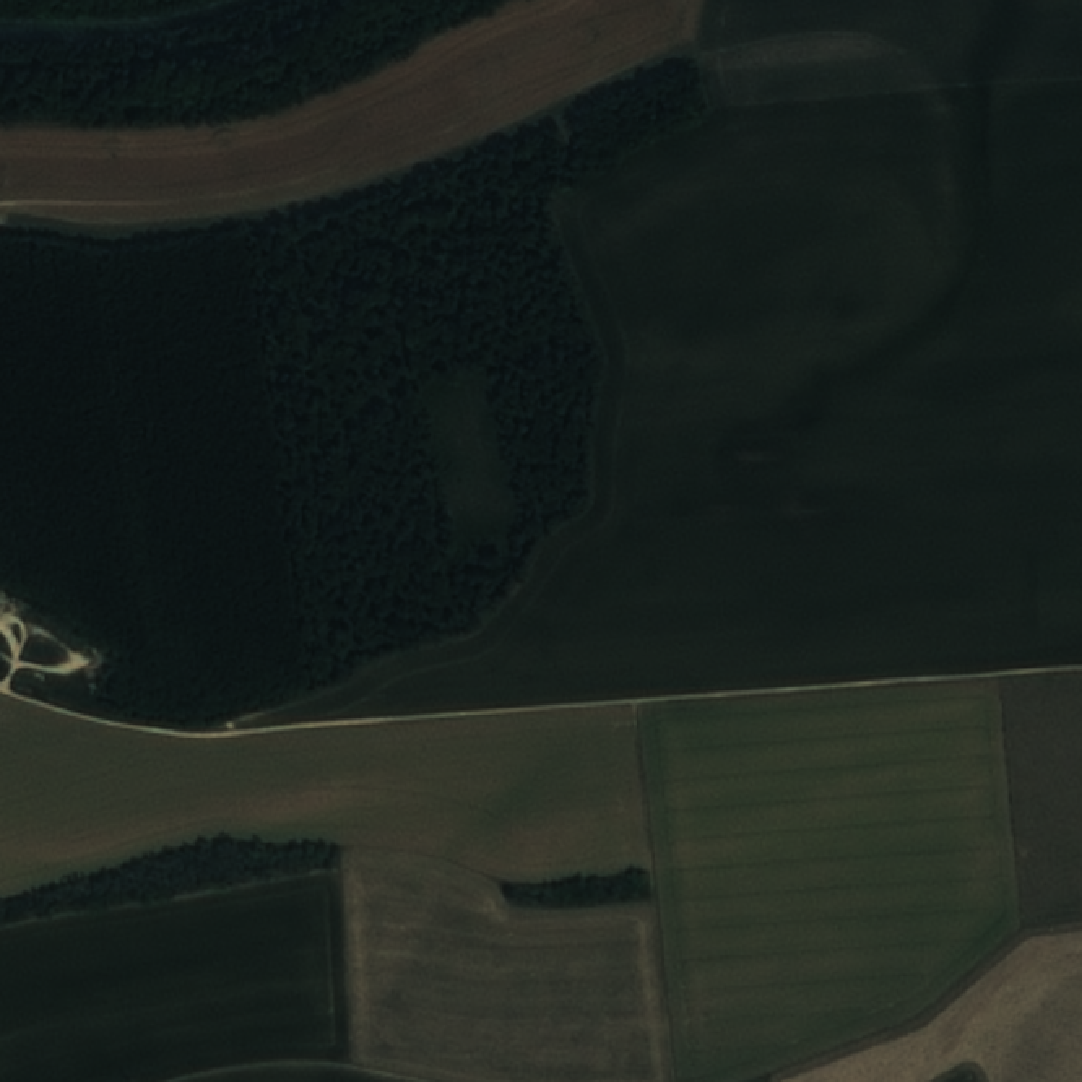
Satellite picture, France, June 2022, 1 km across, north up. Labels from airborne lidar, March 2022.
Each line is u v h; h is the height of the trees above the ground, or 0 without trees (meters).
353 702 0
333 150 0
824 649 0
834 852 0
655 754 0
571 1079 0
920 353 0
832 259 0
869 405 0
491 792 0
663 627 0
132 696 11
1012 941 0
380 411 23
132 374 13
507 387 18
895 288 0
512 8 0
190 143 0
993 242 0
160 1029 0
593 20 0
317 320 26
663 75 15
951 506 0
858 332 0
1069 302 0
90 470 14
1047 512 0
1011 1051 0
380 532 17
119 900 6
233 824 0
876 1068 0
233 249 15
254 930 0
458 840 0
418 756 0
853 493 0
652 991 0
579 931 0
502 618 0
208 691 11
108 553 13
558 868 0
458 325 22
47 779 0
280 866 15
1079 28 0
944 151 0
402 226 21
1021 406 0
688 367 0
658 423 0
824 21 0
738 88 0
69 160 0
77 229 0
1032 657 0
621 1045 0
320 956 0
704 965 0
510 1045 0
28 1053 0
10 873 0
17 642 0
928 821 0
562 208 0
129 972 0
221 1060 0
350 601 19
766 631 0
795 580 0
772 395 0
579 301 15
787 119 0
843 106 0
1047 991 0
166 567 13
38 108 21
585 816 0
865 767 0
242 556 14
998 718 0
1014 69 0
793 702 0
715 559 0
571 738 0
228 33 13
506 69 0
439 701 0
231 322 16
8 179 0
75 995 0
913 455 0
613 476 0
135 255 14
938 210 0
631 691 0
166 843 0
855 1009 0
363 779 0
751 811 0
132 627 14
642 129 21
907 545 0
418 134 0
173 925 0
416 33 20
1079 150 0
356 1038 0
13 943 0
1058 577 0
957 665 0
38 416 18
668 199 0
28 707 0
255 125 0
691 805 0
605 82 0
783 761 0
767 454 0
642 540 0
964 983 0
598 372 13
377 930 0
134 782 0
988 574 0
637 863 0
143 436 15
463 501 0
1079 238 0
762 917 0
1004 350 0
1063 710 0
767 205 0
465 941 0
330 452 18
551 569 0
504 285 22
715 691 0
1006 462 0
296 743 0
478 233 20
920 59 0
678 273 0
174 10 14
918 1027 0
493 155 14
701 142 0
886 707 0
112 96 22
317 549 18
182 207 0
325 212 16
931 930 0
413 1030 0
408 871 0
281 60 16
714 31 0
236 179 0
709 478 0
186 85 15
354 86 0
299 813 0
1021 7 0
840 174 0
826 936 0
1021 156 0
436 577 18
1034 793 0
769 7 0
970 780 0
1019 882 0
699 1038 0
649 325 0
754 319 0
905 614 0
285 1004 0
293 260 26
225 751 0
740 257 0
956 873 0
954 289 0
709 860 0
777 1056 0
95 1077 0
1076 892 0
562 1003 0
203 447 16
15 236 10
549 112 0
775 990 0
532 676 0
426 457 17
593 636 0
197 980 0
